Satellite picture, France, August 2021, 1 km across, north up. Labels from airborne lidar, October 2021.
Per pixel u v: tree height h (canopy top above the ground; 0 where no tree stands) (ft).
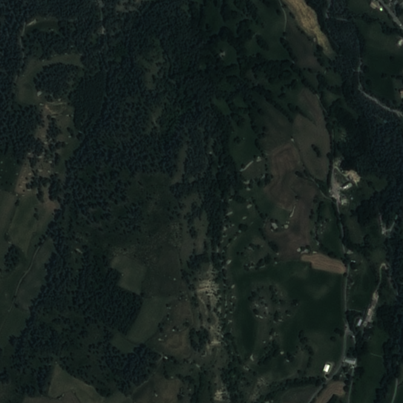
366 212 78
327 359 0
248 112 49
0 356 92
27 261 0
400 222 50
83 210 79
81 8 37
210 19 0
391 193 59
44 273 0
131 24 84
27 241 0
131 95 78
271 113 0
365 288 0
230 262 0
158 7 77
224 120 72
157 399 0
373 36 0
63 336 21
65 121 0
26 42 53
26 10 43
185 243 0
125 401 0
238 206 0
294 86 34
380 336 0
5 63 53
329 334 0
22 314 0
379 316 38
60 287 73
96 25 41
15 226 0
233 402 21
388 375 35
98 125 34
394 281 46
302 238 0
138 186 0
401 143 52
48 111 0
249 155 0
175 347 0
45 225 0
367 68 43
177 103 44
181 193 49
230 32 66
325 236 0
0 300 0
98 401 0
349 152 55
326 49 0
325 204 37
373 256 0
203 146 85
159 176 0
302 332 27
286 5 39
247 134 0
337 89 46
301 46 0
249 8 49
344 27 38
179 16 57
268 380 0
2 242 0
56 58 0
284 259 0
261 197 0
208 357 0
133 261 0
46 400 0
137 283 0
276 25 0
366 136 66
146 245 0
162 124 40
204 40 69
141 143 59
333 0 28
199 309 0
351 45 34
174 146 46
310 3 48
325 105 33
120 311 30
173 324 0
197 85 105
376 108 38
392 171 42
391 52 0
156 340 0
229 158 53
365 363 0
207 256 19
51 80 41
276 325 0
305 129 0
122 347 0
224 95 44
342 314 0
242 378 27
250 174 0
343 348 0
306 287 0
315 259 0
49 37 73
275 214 0
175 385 0
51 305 68
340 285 0
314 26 0
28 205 0
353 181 0
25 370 40
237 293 0
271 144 0
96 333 0
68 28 28
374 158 38
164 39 41
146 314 0
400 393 0
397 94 0
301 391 0
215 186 50
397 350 61
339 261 0
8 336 0
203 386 34
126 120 72
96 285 29
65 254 79
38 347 71
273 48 0
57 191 58
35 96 0
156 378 0
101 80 48
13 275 0
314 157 0
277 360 0
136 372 80
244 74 32
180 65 61
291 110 35
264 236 24
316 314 0
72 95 58
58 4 50
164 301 0
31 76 0
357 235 0
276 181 0
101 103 31
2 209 0
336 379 49
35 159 22
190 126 46
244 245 0
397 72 0
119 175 89
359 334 29
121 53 34
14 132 59
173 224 0
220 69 45
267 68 69
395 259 24
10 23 63
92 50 45
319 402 0
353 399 0
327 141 0
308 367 30
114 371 61
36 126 45
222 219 27
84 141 34
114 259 0
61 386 0
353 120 60
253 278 0
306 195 0
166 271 0
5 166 0
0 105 78
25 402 0
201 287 0
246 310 0
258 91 46
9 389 0
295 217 0
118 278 33
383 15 0
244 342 0
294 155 0
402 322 48
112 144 0
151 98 40
